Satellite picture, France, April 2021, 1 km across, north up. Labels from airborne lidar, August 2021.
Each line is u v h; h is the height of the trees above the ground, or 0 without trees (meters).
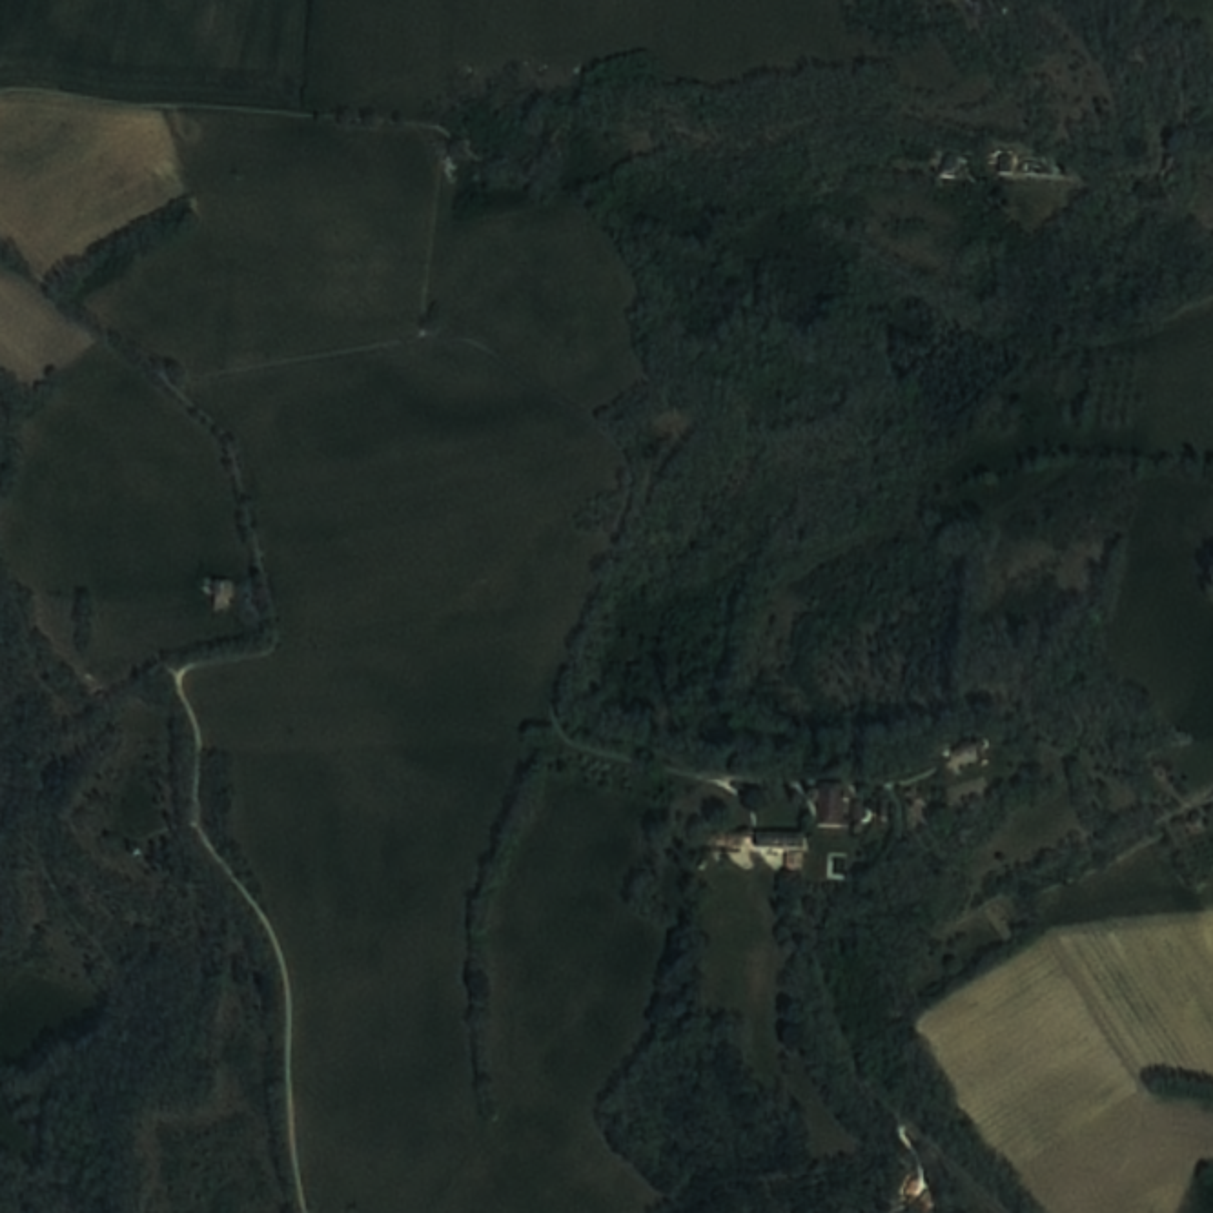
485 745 0
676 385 15
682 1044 16
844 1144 0
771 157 11
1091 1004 0
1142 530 0
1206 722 0
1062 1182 0
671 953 11
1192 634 0
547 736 13
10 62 0
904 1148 14
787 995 15
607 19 0
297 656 0
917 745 22
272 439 0
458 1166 0
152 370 13
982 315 16
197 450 0
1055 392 10
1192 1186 0
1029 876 18
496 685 0
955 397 11
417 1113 0
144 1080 19
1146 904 0
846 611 7
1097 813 14
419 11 0
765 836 0
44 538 0
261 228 0
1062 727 16
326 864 0
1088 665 23
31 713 14
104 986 16
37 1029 0
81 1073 20
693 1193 10
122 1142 13
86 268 18
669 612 8
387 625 0
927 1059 24
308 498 0
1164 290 23
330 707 0
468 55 0
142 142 0
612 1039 0
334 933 0
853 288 12
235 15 0
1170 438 0
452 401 0
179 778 14
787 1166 13
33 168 0
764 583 16
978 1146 26
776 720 22
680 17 0
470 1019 10
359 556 0
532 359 0
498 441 0
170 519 0
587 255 0
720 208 9
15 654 17
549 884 0
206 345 0
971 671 18
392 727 0
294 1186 10
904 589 6
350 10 0
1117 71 11
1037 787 13
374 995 0
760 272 12
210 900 6
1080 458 8
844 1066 19
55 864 10
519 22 0
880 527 13
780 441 18
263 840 0
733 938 0
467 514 0
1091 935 0
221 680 0
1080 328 22
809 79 19
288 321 0
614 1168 0
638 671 6
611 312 0
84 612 13
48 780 11
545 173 15
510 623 0
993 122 0
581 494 0
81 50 0
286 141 0
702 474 22
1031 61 10
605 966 0
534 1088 0
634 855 0
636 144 0
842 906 20
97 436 0
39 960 9
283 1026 8
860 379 22
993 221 6
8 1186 18
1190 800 0
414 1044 0
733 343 6
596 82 7
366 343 0
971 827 23
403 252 0
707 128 10
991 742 14
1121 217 15
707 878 0
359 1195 0
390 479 0
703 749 24
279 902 0
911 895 28
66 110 0
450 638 0
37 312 0
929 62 0
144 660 0
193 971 15
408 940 0
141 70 0
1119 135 10
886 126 15
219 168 0
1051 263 23
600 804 0
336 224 0
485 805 0
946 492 10
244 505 12
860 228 15
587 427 0
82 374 0
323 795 0
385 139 0
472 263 0
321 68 0
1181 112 17
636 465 17
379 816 0
